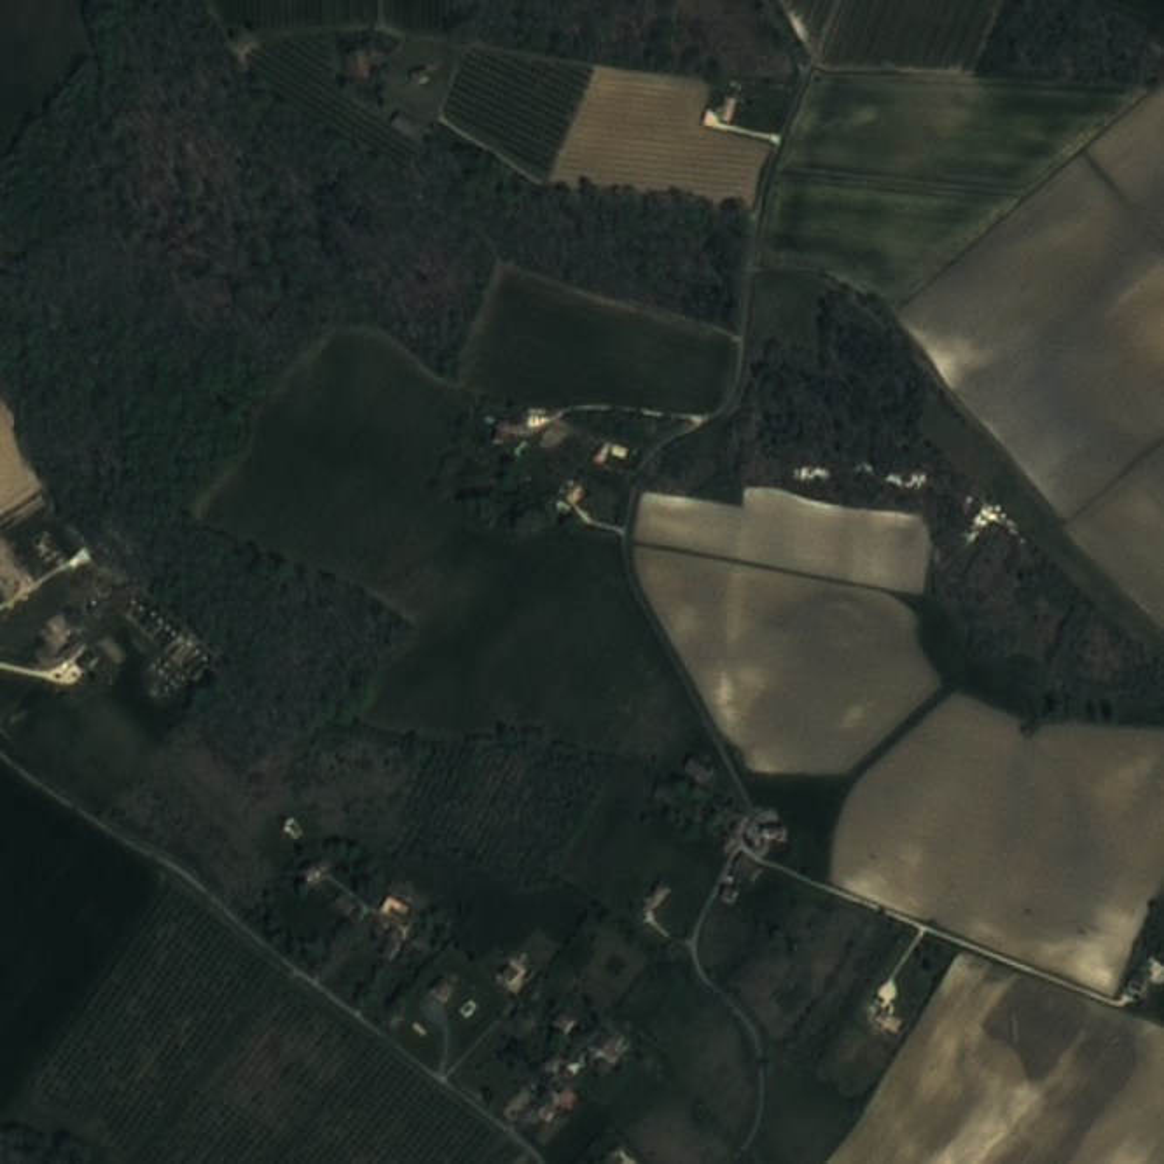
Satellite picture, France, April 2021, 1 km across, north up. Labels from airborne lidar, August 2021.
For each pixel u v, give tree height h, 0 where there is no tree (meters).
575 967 0
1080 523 0
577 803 8
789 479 6
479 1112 0
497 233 19
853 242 0
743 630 0
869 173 0
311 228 18
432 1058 0
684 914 0
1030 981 0
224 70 14
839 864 0
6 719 0
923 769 0
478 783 8
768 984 0
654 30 7
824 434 13
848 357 18
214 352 23
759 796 0
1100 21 20
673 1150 0
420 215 17
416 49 0
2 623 0
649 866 0
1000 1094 0
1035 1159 0
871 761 0
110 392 21
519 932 0
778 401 14
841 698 0
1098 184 0
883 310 16
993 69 6
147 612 0
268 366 19
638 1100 0
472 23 20
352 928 15
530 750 10
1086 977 0
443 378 14
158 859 0
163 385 29
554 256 16
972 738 0
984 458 0
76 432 19
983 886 0
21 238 14
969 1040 0
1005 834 0
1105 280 0
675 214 24
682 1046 0
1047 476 0
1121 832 0
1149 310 0
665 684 0
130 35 16
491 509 19
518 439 0
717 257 17
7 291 25
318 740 6
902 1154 0
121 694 0
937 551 0
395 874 0
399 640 11
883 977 0
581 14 17
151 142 16
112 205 11
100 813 9
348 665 24
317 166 17
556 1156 0
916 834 0
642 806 0
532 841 7
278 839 0
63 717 0
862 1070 0
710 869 0
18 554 0
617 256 14
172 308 16
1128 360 0
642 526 0
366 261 15
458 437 8
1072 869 0
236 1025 0
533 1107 7
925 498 11
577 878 0
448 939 8
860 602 0
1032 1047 0
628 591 0
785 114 0
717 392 0
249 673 21
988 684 0
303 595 14
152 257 14
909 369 12
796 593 0
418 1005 0
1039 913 0
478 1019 0
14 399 22
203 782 0
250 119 20
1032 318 0
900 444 8
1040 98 0
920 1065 0
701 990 10
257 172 18
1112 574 0
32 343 26
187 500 21
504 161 9
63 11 0
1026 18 16
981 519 0
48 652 15
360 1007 11
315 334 14
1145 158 0
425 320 14
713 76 17
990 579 0
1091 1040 0
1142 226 0
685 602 0
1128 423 0
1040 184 0
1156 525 0
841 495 10
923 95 0
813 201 0
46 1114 0
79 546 13
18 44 0
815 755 0
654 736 0
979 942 0
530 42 19
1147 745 0
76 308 21
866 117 0
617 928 10
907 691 0
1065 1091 0
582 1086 0
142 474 21
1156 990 0
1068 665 9
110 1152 0
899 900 0
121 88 12
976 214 0
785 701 0
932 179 0
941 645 0
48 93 0
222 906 0
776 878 0
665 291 14
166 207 15
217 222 16
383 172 16
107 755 0
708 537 0
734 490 9
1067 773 0
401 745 6
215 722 17
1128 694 10
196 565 26
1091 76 17
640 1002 0
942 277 0
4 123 0
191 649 0
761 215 0
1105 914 0
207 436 23
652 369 0
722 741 0
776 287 0
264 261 21
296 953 14
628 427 8
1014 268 0
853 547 0
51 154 14
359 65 0
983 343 0
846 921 0
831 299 8
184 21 13
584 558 0
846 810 0
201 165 17
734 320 11
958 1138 0
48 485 18
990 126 0
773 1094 0
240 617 24
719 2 0
